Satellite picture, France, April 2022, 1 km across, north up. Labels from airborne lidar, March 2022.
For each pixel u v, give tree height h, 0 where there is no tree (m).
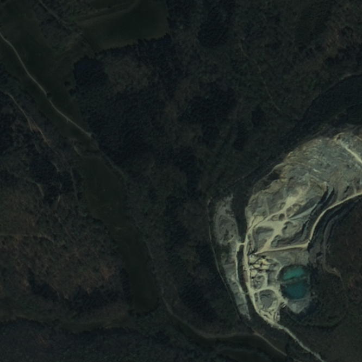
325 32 20
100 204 0
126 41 0
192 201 23
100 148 17
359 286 29
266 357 17
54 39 22
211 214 11
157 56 31
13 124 24
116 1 0
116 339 28
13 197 22
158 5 0
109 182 0
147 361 27
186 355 29
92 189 0
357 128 0
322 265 0
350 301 15
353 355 21
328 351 16
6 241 13
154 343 32
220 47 27
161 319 21
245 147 22
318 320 10
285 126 26
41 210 13
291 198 0
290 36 25
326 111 13
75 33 20
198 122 30
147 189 22
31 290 24
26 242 7
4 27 0
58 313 25
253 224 0
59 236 22
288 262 0
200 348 22
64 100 0
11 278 25
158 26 0
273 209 0
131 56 24
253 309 17
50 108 0
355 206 8
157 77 20
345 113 0
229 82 27
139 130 23
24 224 15
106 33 0
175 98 23
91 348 30
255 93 22
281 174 0
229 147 26
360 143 0
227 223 0
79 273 22
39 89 0
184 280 18
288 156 0
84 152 11
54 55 0
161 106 22
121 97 20
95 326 0
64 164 23
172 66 20
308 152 0
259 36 25
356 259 13
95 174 0
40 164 27
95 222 18
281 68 30
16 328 25
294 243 0
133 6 0
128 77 25
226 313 17
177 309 21
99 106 21
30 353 33
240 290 0
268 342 0
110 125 20
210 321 21
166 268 18
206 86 22
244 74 29
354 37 26
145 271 0
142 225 22
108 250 25
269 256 0
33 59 0
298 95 23
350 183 0
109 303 27
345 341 21
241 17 24
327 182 0
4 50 0
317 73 27
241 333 21
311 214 0
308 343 18
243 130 26
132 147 31
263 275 0
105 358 31
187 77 19
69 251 24
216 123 35
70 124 0
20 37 0
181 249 25
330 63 22
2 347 32
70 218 22
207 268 25
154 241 22
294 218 0
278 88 9
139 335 26
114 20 0
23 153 25
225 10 25
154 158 23
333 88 12
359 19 27
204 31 27
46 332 26
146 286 0
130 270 0
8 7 0
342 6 21
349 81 14
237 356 0
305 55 13
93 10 16
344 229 16
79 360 31
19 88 18
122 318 0
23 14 0
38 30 0
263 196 0
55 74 0
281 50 26
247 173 16
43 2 7
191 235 20
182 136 27
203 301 32
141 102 20
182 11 29
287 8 22
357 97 16
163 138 22
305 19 7
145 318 16
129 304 20
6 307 0
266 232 0
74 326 0
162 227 15
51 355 29
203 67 32
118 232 0
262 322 19
